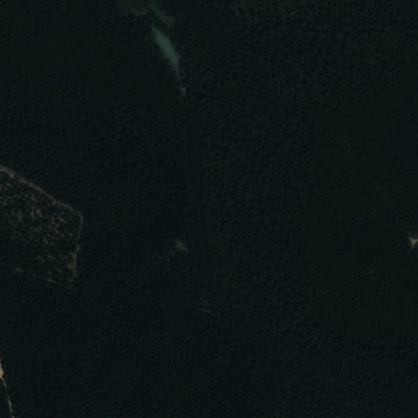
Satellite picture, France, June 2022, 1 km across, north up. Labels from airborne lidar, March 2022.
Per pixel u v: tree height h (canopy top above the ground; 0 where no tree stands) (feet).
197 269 73
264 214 80
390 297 0
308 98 39
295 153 102
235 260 84
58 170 79
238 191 91
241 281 76
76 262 0
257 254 90
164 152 80
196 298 64
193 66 49
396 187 19
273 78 88
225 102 24
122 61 61
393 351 57
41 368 77
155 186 89
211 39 58
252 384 83
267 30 87
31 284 53
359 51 0
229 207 88
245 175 73
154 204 64
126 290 82
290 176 31
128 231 63
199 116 92
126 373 0
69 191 70
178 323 64
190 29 82
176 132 64
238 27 58
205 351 69
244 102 82
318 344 64
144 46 63
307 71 83
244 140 72
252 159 72
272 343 77
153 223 78
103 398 72
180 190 70
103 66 39
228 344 90
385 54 94
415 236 0
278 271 75
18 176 0
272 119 85
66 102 69
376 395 64
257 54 75
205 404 28
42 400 73
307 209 28
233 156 80
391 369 39
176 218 73
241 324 98
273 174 90
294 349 71
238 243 79
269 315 82
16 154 21
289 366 89
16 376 65
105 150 86
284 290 82
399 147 25
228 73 81
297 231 63
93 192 71
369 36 96
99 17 74
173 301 68
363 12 77
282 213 83
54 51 34
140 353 72
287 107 43
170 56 0
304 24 75
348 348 94
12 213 64
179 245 0
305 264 50
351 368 92
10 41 53
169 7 53
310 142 31
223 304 77
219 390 57
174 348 73
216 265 78
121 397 68
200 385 65
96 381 77
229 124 76
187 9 65
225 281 66
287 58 84
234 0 82
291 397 92
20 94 71
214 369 79
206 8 82
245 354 56
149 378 73
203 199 77
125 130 82
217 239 77
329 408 74
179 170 79
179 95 68
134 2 0
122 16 48
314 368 85
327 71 95
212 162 84
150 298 66
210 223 61
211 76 46
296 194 50
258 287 86
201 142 80
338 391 83
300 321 44
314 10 99
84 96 57
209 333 86
